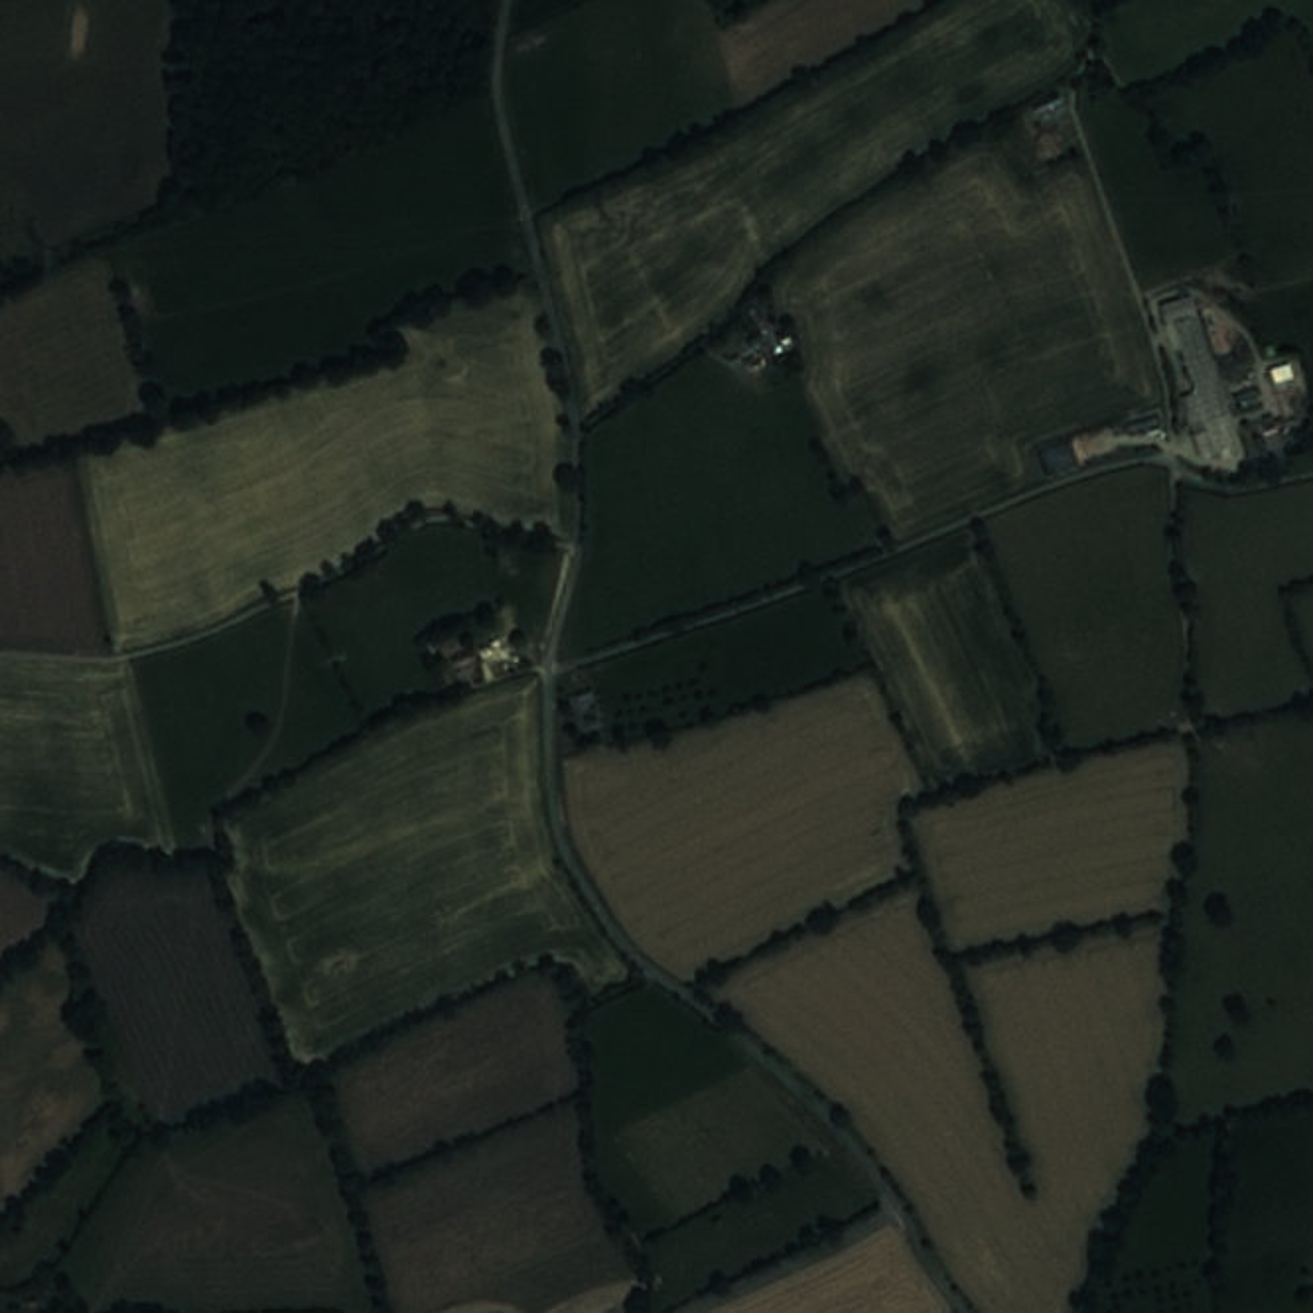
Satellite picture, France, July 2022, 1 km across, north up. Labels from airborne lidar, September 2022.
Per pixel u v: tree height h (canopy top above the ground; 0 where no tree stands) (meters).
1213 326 0
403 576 0
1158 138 15
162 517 0
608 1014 0
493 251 0
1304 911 0
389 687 0
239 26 28
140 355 16
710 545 0
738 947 0
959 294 0
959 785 12
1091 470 0
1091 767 0
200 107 25
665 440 0
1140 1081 0
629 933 0
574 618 0
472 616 6
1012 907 0
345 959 0
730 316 8
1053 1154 0
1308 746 0
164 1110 0
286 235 0
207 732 0
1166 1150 19
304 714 0
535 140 0
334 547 0
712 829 0
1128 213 0
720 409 0
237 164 26
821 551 0
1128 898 0
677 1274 0
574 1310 0
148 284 0
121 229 6
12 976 10
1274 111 0
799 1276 0
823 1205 0
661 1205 0
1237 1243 0
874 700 0
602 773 0
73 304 0
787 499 0
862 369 0
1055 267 0
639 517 0
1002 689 0
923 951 0
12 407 0
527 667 6
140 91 0
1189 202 0
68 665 0
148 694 0
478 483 0
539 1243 0
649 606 0
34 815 0
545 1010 0
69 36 0
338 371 19
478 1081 0
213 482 0
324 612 0
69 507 0
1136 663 0
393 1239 0
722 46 0
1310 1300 15
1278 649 0
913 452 0
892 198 0
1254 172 0
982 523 10
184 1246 0
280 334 0
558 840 0
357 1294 0
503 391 0
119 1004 0
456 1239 0
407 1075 0
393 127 18
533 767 0
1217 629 0
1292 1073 0
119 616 0
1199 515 0
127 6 0
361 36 28
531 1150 0
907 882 22
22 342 0
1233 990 0
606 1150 0
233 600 0
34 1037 0
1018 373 0
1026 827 0
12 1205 17
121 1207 0
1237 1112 11
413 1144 0
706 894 0
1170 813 0
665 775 0
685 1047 0
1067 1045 0
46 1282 18
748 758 0
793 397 0
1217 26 0
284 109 28
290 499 0
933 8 10
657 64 0
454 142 0
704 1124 0
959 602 0
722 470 0
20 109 0
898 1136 0
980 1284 0
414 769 0
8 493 0
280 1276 0
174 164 16
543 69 0
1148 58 0
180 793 0
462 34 20
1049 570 0
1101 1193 0
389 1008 0
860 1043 0
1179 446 0
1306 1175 0
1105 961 0
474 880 0
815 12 0
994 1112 13
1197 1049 0
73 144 0
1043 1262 0
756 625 0
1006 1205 0
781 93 8
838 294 0
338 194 0
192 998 0
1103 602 0
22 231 0
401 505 0
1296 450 12
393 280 0
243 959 13
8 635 0
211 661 0
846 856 0
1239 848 0
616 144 0
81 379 0
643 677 0
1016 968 0
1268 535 0
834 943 0
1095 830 0
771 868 0
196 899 0
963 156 0
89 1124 10
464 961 0
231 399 17
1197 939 0
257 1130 0
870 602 0
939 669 0
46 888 13
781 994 0
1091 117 0
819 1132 0
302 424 0
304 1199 0
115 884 0
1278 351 7
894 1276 0
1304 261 0
